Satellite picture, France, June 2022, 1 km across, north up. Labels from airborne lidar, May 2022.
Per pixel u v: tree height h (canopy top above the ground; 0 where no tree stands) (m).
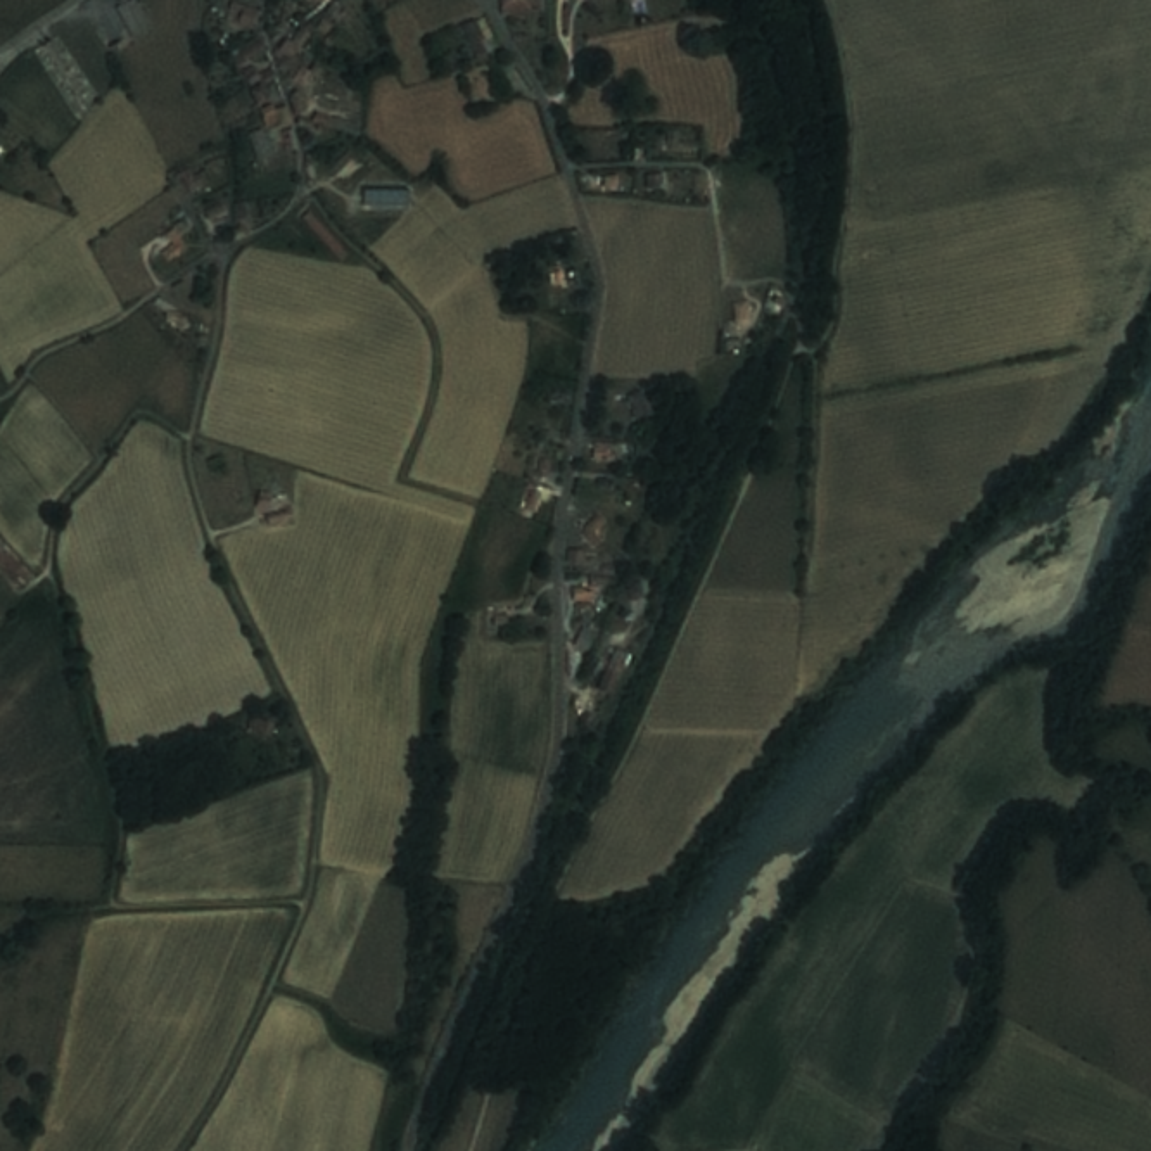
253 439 0
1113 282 0
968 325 0
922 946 0
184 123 0
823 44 14
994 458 0
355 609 0
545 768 0
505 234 0
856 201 0
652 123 9
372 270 0
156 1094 0
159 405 0
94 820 0
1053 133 0
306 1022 0
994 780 0
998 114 0
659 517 16
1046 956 0
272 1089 0
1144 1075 0
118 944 0
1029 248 0
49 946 0
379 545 0
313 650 0
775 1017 0
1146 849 0
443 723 20
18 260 0
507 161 0
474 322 0
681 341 0
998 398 0
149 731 0
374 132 0
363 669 0
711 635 0
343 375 0
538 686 0
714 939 0
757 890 0
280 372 0
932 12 0
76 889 0
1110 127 0
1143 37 0
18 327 0
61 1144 0
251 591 0
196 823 0
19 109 0
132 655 0
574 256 9
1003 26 0
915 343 0
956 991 0
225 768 18
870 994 0
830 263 9
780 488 0
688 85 0
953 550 18
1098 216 0
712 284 0
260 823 0
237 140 11
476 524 0
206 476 0
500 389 0
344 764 0
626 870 0
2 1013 0
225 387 0
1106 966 0
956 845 0
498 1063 18
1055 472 14
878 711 0
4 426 0
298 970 0
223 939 0
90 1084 0
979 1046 8
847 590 0
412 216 0
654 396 16
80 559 0
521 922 15
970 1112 0
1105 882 0
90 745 6
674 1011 0
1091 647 22
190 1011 0
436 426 0
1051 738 17
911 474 0
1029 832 19
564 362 0
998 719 0
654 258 0
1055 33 0
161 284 0
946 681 0
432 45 14
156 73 0
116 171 0
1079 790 0
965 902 17
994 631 0
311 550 0
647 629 5
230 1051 0
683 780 0
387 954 0
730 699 0
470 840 0
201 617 0
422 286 0
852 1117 0
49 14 0
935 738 10
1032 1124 0
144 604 0
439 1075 11
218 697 0
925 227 0
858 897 0
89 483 0
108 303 0
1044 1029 0
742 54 16
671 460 19
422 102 0
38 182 0
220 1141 0
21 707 0
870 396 0
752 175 0
